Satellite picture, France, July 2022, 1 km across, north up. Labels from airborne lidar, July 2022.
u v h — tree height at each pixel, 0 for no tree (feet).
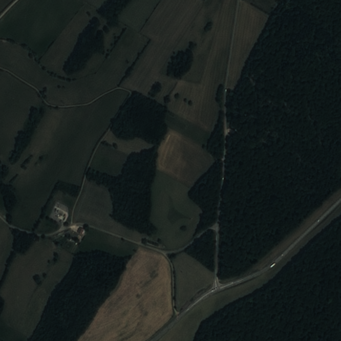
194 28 0
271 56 84
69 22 0
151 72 0
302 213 70
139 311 0
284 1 33
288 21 73
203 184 66
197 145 0
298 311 71
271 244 66
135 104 57
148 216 67
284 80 86
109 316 0
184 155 0
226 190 74
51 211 0
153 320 0
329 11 65
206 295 0
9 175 0
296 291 68
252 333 79
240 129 84
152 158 43
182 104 0
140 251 0
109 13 73
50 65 0
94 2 0
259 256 65
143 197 53
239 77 0
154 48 0
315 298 80
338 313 83
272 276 0
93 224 0
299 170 70
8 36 0
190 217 0
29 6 0
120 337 0
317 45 77
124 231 0
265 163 85
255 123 87
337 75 61
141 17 0
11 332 0
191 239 0
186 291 0
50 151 0
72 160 0
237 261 78
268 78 75
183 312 0
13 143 0
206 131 0
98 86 0
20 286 0
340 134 67
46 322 35
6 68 0
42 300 0
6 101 0
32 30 0
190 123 0
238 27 0
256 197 91
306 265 74
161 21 0
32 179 0
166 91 0
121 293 0
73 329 51
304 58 67
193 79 0
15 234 60
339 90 80
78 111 0
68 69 51
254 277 0
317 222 0
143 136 34
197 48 0
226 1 0
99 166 0
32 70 0
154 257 0
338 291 66
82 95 0
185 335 0
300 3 61
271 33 85
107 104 0
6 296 0
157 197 0
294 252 0
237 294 0
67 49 0
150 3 0
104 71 0
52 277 0
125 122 62
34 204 0
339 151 70
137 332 0
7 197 64
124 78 22
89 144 0
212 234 68
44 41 0
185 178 0
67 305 68
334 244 58
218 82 0
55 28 0
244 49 0
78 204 0
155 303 0
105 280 24
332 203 0
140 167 51
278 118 78
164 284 0
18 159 29
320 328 77
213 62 0
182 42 0
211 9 0
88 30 69
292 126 72
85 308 54
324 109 77
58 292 60
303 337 86
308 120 73
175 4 0
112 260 35
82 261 74
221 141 45
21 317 0
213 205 57
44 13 0
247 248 67
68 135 0
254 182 90
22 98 0
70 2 0
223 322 81
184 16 0
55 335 46
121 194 56
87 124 0
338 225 55
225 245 66
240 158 83
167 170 0
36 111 53
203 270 0
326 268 90
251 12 0
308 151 72
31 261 0
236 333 85
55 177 0
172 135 0
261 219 78
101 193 0
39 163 0
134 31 0
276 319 64
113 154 0
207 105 0
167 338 0
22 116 0
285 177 76
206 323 51
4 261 0
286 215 57
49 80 0
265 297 63
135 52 0
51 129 0
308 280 60
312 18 59
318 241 44
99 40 64
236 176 87
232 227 72
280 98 82
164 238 0
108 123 0
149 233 47
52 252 0
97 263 21
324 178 62
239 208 91
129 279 0
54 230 0
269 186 68
